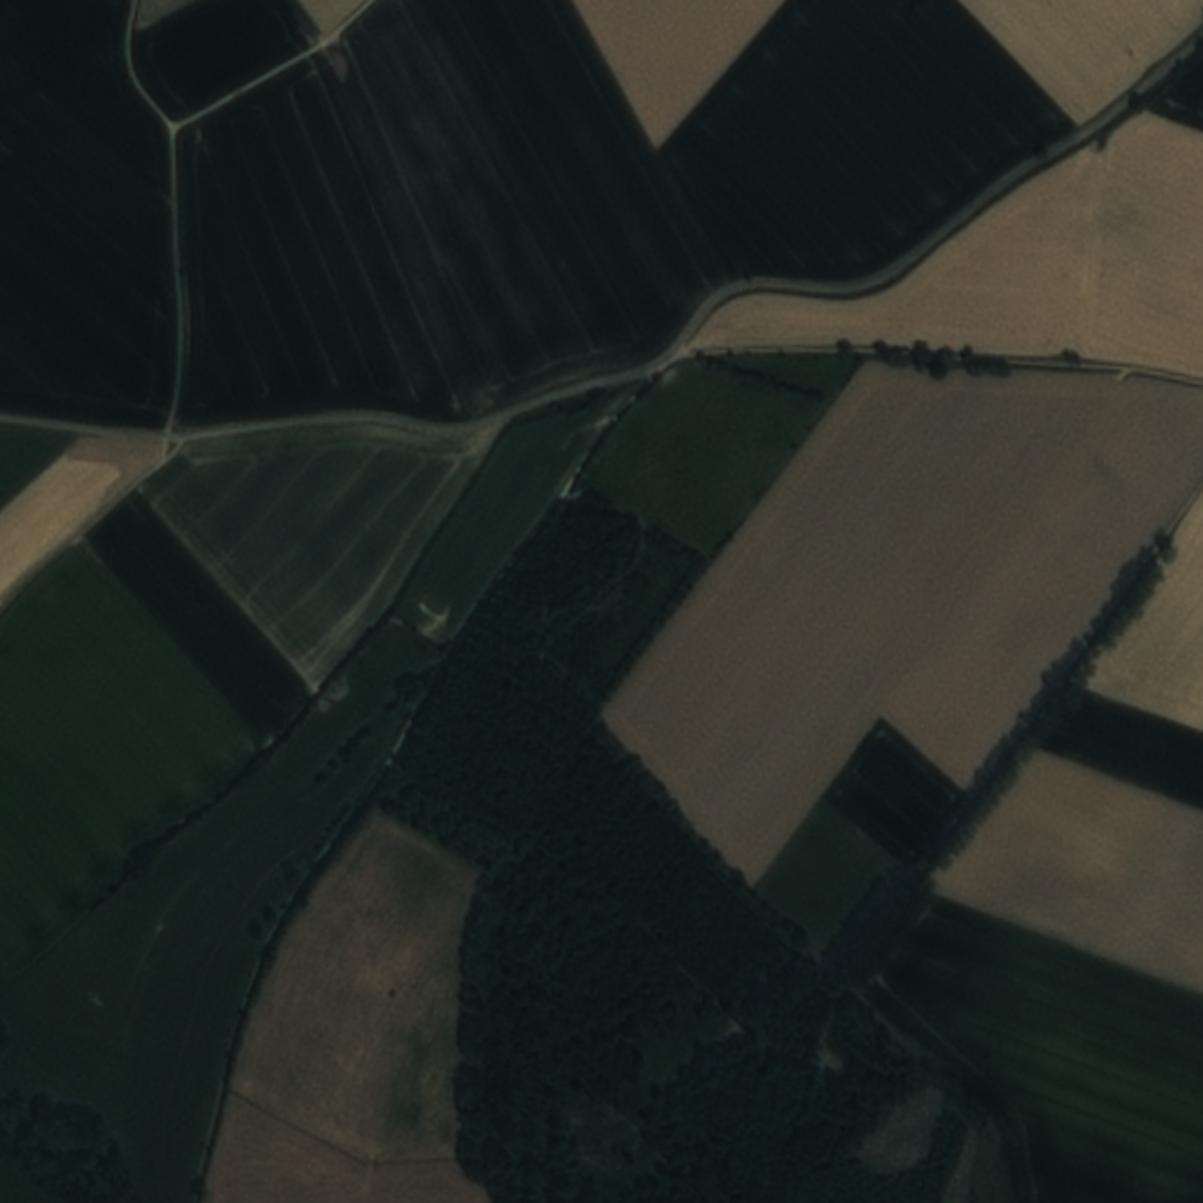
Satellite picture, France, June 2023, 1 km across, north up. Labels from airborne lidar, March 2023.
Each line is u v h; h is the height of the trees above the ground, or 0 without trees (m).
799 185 0
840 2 0
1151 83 0
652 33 0
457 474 0
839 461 0
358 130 0
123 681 0
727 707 0
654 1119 13
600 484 0
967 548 0
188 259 0
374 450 0
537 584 12
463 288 0
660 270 0
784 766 0
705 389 0
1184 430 0
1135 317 0
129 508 0
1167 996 0
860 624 0
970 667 0
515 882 16
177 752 0
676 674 0
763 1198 18
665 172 0
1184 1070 0
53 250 0
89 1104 0
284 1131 0
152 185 0
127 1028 0
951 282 0
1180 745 0
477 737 12
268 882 0
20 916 0
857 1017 23
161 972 0
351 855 0
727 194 0
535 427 0
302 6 0
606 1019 12
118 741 0
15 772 0
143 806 0
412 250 0
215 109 0
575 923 22
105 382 0
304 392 0
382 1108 0
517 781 15
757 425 0
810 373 0
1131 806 0
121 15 0
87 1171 28
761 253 0
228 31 0
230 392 0
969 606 0
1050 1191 0
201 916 0
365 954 0
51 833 0
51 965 0
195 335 0
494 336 0
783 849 0
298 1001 0
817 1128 19
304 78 0
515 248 0
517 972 14
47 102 0
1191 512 0
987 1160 0
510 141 0
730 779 0
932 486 0
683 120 0
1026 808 0
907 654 0
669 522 0
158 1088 0
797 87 0
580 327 0
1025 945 0
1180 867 0
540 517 0
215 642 0
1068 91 0
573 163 0
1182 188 0
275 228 0
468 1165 16
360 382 0
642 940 17
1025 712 0
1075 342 0
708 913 9
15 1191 0
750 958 8
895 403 0
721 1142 15
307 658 0
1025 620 0
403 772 6
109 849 0
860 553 0
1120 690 0
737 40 0
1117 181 0
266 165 0
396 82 0
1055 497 0
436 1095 0
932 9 0
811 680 0
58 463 0
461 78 0
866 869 0
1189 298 0
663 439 0
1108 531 0
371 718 0
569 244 0
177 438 0
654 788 18
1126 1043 0
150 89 0
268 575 0
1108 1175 0
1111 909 0
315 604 0
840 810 0
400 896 0
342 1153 0
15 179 0
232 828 0
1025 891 0
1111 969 0
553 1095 12
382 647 0
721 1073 19
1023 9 0
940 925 0
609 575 11
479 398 0
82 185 0
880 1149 0
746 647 0
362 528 0
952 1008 0
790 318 0
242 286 0
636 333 0
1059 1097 0
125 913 0
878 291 0
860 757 0
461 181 0
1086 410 0
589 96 0
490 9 0
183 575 0
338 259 0
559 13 0
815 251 0
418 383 0
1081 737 0
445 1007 0
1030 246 0
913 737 0
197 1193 14
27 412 0
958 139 0
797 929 11
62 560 0
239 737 0
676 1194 13
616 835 9
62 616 0
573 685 11
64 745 0
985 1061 0
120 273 0
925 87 0
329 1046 0
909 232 0
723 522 0
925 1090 0
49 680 0
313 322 0
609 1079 16
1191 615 0
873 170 0
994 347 0
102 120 0
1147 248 0
